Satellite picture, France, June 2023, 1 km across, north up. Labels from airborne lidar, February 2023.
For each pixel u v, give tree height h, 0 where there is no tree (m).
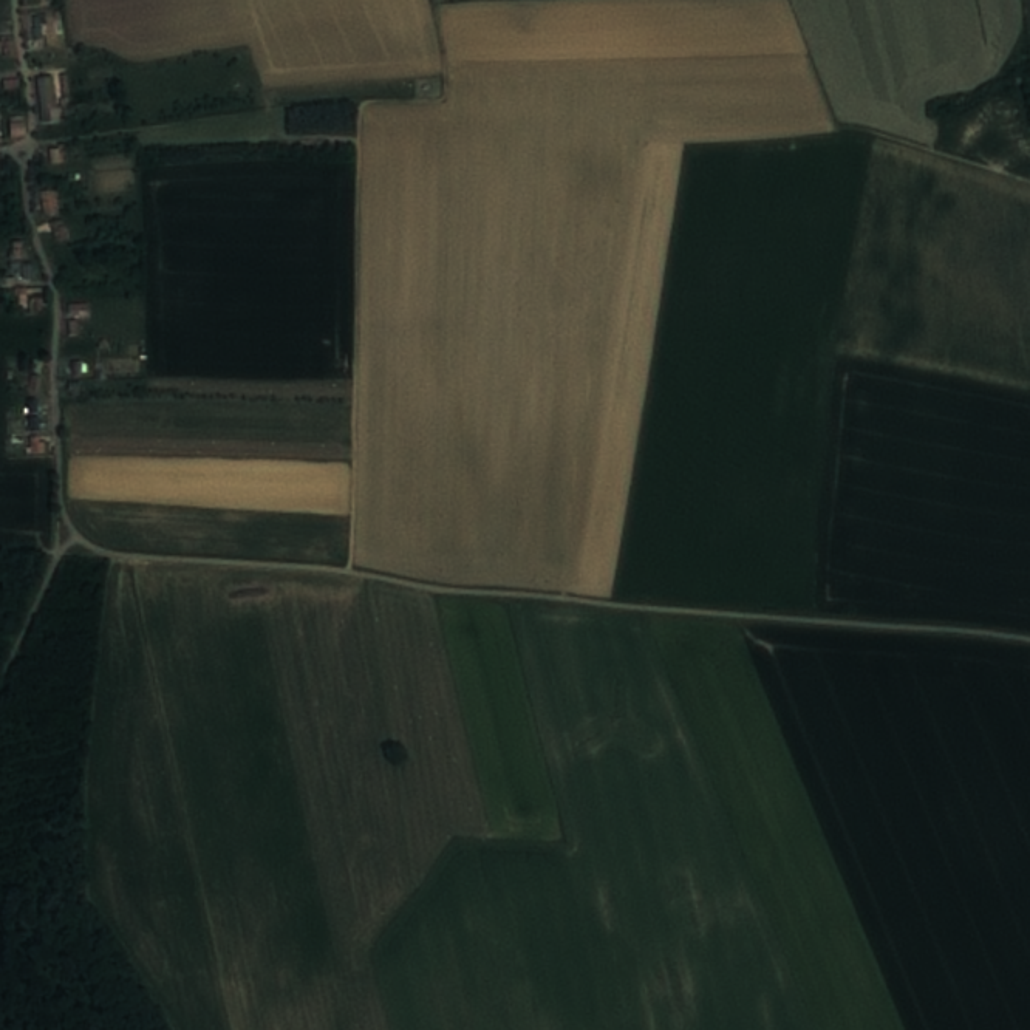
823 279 0
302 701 0
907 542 0
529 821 0
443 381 0
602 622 0
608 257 0
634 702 0
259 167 0
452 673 0
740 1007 0
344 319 0
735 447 0
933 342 0
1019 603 0
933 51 0
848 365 0
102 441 0
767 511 0
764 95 0
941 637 0
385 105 0
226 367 0
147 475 0
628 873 0
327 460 0
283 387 0
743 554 0
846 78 0
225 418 0
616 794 0
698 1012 0
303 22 0
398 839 0
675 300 0
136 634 0
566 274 0
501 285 0
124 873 0
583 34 0
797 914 0
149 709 0
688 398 0
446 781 0
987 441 0
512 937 0
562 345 0
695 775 0
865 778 0
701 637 0
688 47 0
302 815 0
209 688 0
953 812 0
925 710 0
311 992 0
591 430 0
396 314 0
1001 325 0
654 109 0
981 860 0
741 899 0
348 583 0
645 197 0
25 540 0
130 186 12
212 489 0
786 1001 0
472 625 0
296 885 0
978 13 0
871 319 0
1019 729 0
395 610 0
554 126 0
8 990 26
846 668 0
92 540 0
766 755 0
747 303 0
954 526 0
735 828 0
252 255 0
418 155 0
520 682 0
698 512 0
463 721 0
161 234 0
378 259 0
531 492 0
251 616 0
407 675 0
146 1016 23
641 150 0
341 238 0
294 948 0
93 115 5
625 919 0
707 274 0
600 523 0
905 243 0
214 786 0
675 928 0
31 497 0
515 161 0
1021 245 0
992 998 0
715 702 0
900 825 0
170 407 0
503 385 0
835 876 0
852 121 0
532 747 0
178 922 0
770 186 0
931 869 0
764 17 0
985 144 0
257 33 0
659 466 0
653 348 0
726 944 0
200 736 0
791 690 0
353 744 0
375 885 0
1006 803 0
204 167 0
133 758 0
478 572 0
